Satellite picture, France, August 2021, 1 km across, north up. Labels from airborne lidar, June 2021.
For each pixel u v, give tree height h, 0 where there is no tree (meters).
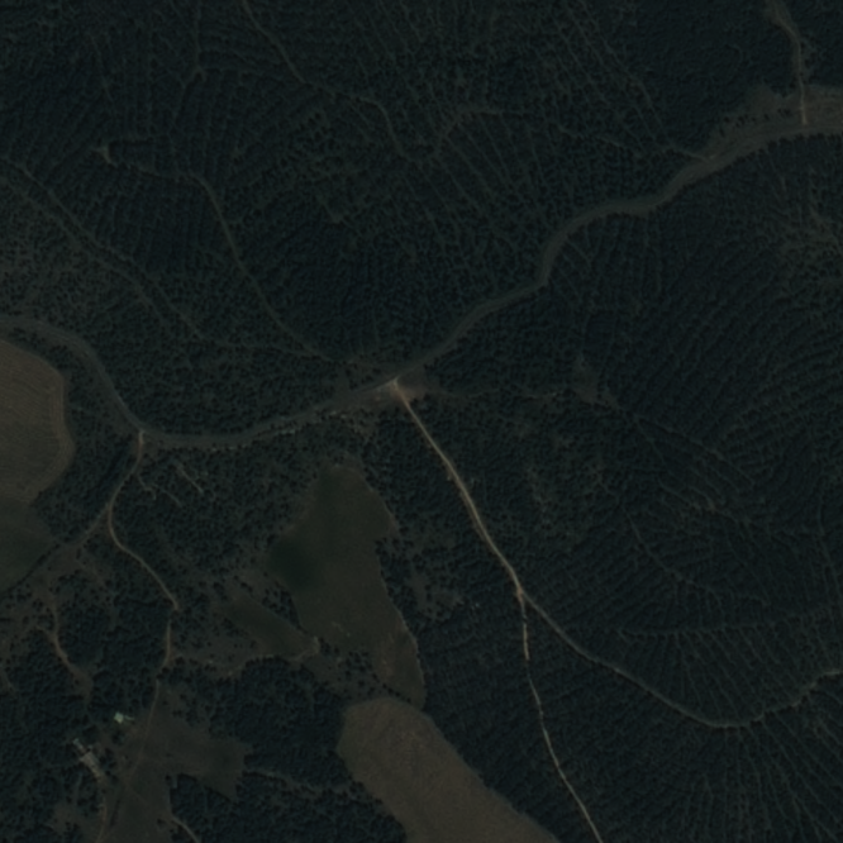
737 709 9
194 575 0
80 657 12
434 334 9
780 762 9
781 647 9
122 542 5
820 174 12
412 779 0
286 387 6
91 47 15
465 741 11
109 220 9
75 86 13
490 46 12
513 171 13
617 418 9
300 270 12
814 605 11
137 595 8
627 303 13
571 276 14
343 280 13
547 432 6
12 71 11
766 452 10
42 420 0
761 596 11
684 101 12
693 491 9
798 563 13
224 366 7
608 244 12
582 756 11
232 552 10
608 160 10
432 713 13
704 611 12
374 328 13
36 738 10
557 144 9
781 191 11
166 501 6
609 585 11
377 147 13
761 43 10
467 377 6
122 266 10
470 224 11
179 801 10
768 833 7
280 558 0
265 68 13
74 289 7
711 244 10
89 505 9
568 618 9
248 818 12
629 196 7
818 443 9
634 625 10
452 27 12
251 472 7
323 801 10
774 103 0
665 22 10
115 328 9
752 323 8
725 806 9
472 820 0
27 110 13
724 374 10
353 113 11
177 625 10
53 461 0
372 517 0
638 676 10
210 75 12
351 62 13
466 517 10
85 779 9
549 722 11
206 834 8
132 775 0
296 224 7
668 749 9
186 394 7
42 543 0
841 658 6
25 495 0
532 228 11
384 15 10
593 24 8
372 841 9
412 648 0
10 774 11
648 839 7
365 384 7
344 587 0
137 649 12
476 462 7
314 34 13
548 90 10
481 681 12
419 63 11
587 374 0
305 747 13
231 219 10
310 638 0
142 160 12
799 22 10
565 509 6
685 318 11
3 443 0
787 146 11
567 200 8
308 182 9
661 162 7
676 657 10
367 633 0
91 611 9
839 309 9
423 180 13
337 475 0
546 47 12
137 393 6
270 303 11
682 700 8
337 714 13
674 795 11
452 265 13
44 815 10
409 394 0
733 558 12
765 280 10
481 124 12
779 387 10
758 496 12
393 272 13
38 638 8
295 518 0
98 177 12
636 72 10
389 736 0
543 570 7
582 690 11
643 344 12
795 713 11
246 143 12
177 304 10
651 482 9
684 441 11
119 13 18
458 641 10
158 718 0
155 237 10
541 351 7
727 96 9
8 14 11
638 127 11
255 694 8
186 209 9
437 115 11
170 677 9
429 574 7
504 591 9
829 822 11
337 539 0
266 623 0
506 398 7
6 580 0
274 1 13
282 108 12
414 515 7
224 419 7
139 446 0
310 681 11
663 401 10
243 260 8
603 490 8
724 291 9
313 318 8
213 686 9
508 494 8
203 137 11
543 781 11
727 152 0
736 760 9
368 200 8
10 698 7
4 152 12
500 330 9
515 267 12
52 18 11
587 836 12
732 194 9
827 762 13
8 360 0
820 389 11
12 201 7
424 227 10
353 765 0
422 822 0
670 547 9
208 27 11
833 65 11
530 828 0
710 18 8
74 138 11
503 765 13
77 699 12
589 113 10
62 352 6
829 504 13
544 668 11
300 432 6
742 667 11
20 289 6
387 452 7
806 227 8
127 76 10
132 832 0
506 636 9
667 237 12
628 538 10
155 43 14
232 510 6
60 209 9
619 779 12
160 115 13
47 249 7
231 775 0
